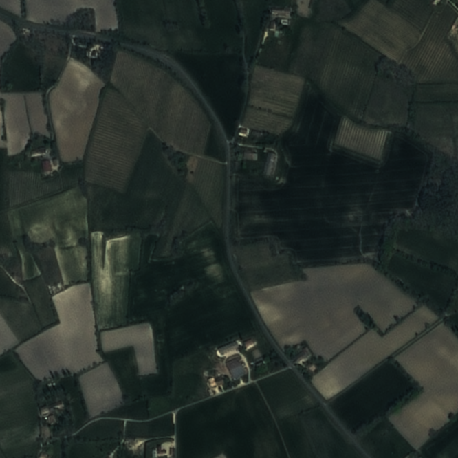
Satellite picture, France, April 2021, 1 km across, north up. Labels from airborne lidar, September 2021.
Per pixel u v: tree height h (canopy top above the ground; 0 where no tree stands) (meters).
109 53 13
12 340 0
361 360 0
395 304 0
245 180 0
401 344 0
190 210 0
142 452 0
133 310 0
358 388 0
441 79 0
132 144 0
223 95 0
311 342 0
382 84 0
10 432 0
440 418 0
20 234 0
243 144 0
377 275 0
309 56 0
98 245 0
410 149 0
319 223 0
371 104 0
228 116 0
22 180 0
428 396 0
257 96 0
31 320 0
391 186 0
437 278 0
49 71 0
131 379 0
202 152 0
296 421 0
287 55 0
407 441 0
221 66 0
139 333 0
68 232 0
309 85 0
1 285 0
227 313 0
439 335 0
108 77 13
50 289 0
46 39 6
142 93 0
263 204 0
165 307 0
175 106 0
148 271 0
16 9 0
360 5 0
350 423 0
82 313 0
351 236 0
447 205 21
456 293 11
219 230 0
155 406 0
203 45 0
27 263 0
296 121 0
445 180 16
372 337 0
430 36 0
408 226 25
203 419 0
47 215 0
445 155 14
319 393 0
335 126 0
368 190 0
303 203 0
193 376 0
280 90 0
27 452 0
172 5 0
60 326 0
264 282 0
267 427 0
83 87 0
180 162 12
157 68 0
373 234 0
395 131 14
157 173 0
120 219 0
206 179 0
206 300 0
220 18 0
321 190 0
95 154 0
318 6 0
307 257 0
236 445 0
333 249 0
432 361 0
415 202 0
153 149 0
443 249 0
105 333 0
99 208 0
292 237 0
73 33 0
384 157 0
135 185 0
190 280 0
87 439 11
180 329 0
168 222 0
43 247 10
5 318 0
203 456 0
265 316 0
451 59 0
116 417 0
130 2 0
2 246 0
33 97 0
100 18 0
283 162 0
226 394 0
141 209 0
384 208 0
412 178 0
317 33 0
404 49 0
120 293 0
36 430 0
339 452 0
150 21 0
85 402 7
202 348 0
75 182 0
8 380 0
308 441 0
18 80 0
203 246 0
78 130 0
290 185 0
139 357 0
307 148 0
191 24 0
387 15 0
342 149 0
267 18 11
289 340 0
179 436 0
